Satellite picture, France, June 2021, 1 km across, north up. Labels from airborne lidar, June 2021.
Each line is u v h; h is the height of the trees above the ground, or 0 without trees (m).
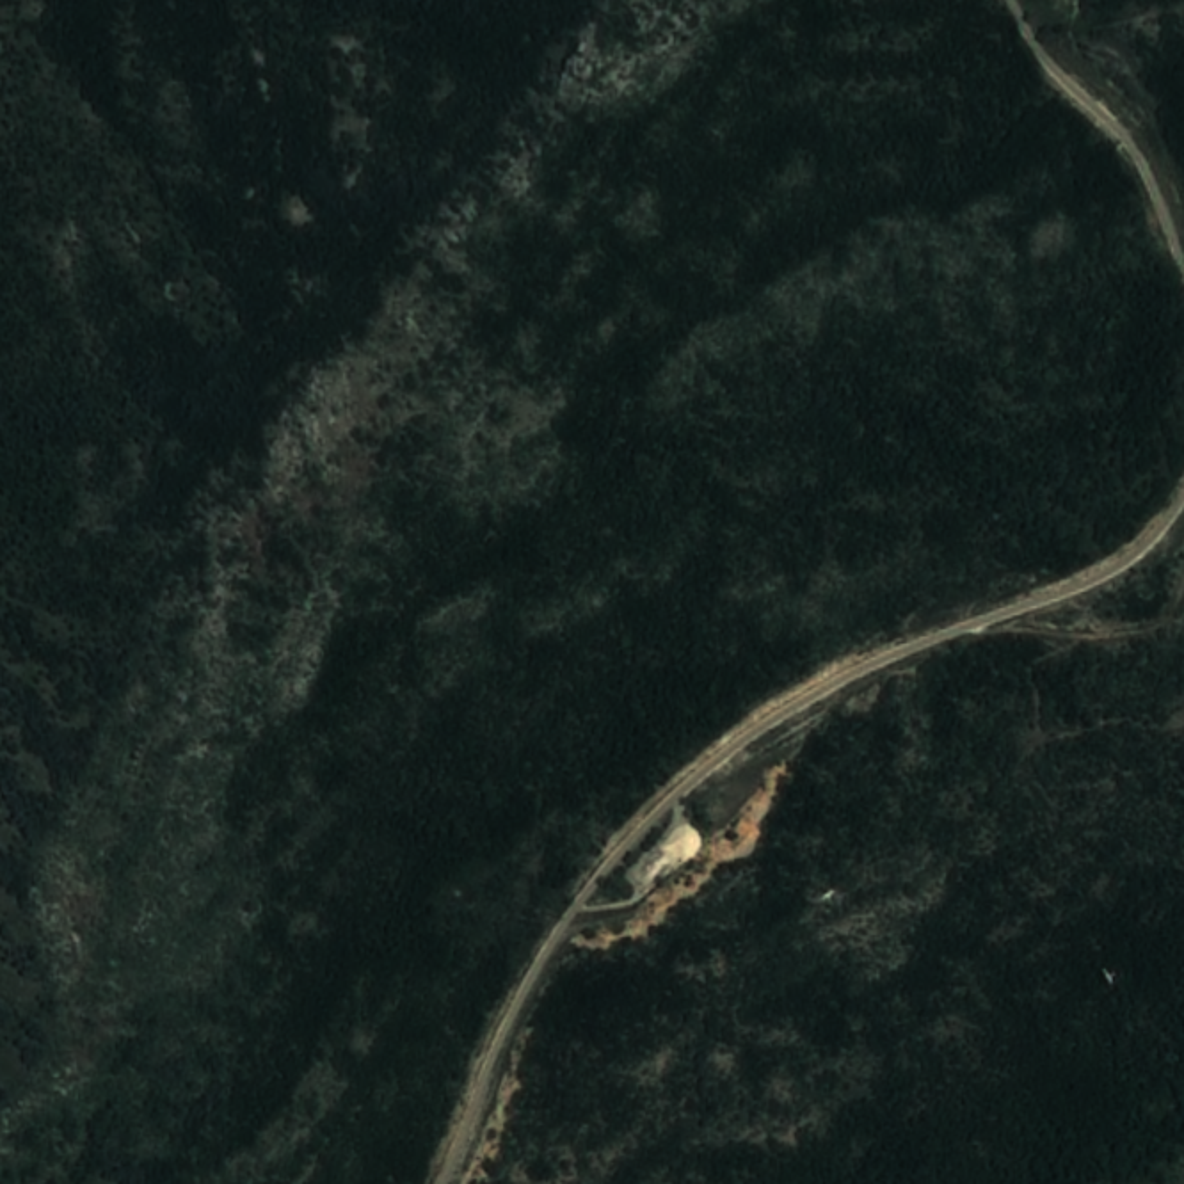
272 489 0
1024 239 6
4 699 12
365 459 0
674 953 8
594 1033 9
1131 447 7
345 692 8
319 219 7
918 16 7
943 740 7
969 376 7
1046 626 0
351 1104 7
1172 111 11
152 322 5
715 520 7
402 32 8
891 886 8
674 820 0
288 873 6
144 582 6
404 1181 10
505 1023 0
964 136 8
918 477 9
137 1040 8
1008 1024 11
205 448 5
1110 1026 10
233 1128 8
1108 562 0
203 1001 6
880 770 10
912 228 6
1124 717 8
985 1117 8
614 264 8
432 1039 6
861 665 0
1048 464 10
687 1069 6
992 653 9
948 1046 7
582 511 7
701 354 6
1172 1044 8
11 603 7
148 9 8
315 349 6
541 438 6
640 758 9
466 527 6
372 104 7
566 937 0
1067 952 7
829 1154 8
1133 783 7
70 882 0
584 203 6
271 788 6
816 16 8
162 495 7
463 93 6
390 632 6
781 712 0
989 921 6
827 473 12
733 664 9
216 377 9
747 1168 9
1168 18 7
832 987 8
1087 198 10
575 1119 7
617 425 9
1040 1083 10
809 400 6
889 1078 7
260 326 7
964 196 9
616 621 6
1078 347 6
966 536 6
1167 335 10
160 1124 6
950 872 7
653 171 6
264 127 7
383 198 9
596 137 9
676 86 7
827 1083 10
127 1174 12
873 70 6
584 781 12
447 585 7
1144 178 0
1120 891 8
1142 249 8
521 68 7
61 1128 7
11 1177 9
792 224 6
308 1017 9
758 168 8
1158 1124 12
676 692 12
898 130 7
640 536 8
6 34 8
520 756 6
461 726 8
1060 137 10
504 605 6
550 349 6
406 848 6
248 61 8
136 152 7
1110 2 8
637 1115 5
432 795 8
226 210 10
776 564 7
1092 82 0
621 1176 10
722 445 5
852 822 6
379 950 12
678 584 10
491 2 6
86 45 9
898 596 7
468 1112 0
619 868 10
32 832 10
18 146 7
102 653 9
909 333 7
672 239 7
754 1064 8
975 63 7
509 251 6
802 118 8
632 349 11
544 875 10
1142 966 8
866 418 10
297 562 6
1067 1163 11
